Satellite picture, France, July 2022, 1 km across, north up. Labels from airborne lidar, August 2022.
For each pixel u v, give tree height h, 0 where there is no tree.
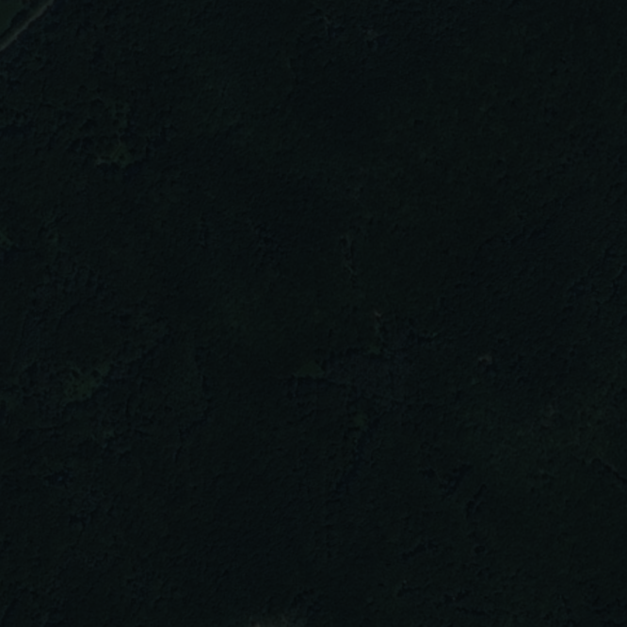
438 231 21
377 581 21
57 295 18
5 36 8
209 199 30
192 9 23
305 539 21
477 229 26
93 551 14
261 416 22
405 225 20
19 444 24
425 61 25
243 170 25
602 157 31
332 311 21
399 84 22
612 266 31
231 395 26
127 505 21
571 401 15
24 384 15
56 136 25
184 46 25
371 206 18
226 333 20
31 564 17
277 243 16
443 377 21
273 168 20
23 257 25
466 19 24
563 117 23
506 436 11
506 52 21
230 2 19
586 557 24
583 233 34
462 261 24
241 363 22
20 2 8
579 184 26
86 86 17
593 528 25
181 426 16
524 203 29
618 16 23
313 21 26
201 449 28
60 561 17
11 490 19
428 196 19
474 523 28
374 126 15
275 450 25
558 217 32
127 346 18
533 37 19
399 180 21
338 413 21
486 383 22
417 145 19
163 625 22
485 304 23
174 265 20
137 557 16
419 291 24
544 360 24
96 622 24
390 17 28
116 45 28
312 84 18
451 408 18
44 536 25
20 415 19
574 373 21
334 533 20
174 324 20
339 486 23
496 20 22
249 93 18
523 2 22
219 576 24
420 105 20
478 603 27
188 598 22
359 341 17
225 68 17
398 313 16
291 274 20
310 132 18
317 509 26
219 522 23
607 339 26
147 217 24
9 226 15
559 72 26
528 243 32
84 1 14
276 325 22
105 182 23
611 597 19
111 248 25
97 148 19
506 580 28
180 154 20
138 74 25
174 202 29
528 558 25
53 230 9
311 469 25
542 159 29
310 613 18
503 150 23
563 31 23
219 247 21
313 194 20
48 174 22
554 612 26
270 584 20
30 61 25
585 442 18
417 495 24
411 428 21
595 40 22
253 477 26
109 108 8
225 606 19
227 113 16
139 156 18
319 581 16
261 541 25
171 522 22
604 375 18
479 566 22
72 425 25
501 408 18
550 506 19
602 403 17
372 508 23
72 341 26
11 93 25
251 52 18
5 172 23
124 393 23
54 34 27
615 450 24
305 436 26
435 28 24
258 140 20
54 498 25
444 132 23
